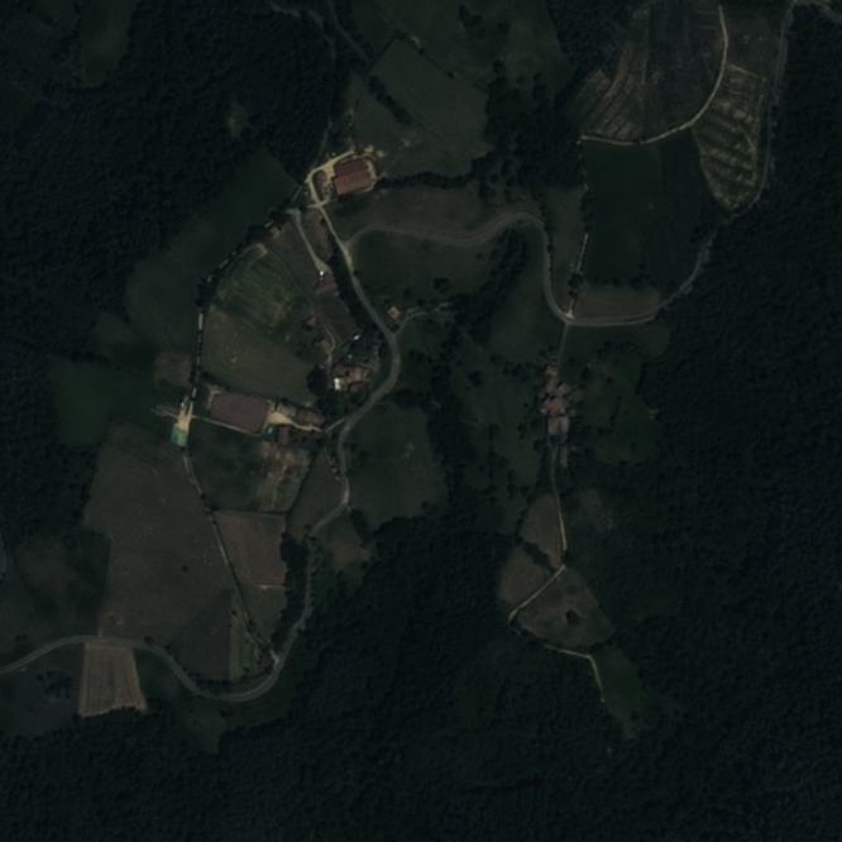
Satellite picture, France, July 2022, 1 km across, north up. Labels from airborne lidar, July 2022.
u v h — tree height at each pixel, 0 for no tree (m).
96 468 7
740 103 0
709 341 11
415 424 0
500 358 10
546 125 18
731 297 13
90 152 21
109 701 0
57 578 0
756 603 20
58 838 15
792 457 20
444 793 16
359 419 0
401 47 0
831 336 15
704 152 0
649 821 30
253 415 0
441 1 0
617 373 0
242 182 0
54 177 27
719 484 13
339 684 31
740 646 17
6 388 10
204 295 16
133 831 16
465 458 11
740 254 26
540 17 0
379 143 0
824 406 17
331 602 6
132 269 13
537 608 0
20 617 0
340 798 24
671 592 6
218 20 18
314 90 18
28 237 24
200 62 17
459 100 0
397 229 0
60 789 18
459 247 0
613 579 9
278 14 11
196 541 0
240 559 0
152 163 26
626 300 0
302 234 0
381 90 13
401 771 15
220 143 19
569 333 0
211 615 0
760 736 23
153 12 12
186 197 26
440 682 16
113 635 0
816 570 22
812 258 15
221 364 0
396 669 17
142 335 0
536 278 0
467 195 0
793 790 23
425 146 0
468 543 15
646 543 13
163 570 0
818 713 8
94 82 0
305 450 0
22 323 8
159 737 12
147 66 15
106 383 0
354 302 9
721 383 19
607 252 0
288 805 20
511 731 16
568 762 6
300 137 19
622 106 0
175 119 6
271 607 0
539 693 6
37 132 37
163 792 18
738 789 10
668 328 0
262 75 28
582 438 14
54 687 9
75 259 28
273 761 27
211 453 0
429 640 14
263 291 0
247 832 20
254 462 0
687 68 0
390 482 0
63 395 0
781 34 8
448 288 19
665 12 0
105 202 28
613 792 21
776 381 17
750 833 25
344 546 0
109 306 15
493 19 0
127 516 0
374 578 13
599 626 0
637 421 0
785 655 20
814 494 21
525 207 0
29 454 12
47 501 17
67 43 22
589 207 17
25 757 15
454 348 22
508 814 29
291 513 7
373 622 24
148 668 0
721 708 16
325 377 19
